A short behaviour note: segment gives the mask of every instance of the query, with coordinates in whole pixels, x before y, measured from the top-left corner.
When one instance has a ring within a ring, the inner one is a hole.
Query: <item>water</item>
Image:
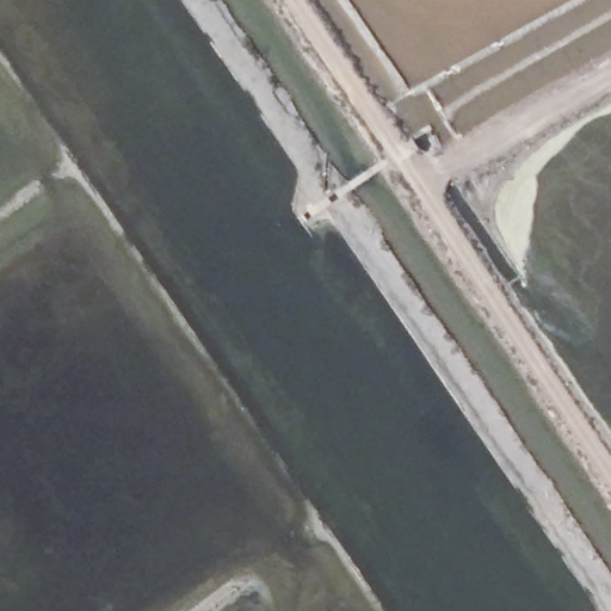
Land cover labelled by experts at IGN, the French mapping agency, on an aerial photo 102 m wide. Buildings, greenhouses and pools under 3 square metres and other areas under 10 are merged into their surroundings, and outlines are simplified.
[[[372,162],[370,150],[348,126],[348,122],[337,112],[322,84],[303,62],[289,36],[274,17],[274,12],[263,0],[217,0],[227,7],[232,21],[243,31],[243,45],[255,60],[263,62],[263,67],[270,74],[270,84],[289,93],[296,110],[296,119],[308,131],[310,143],[327,153],[329,167],[334,167],[348,181],[363,169],[368,169]]]
[[[566,0],[348,0],[406,86],[422,84],[432,74],[482,50],[492,41],[499,41],[501,36],[542,17],[544,12],[563,5]]]
[[[527,286],[520,284],[518,272],[506,260],[506,255],[489,236],[489,232],[480,224],[477,215],[470,210],[458,189],[446,186],[444,191],[444,200],[451,215],[456,217],[458,227],[470,227],[473,236],[468,241],[482,260],[482,265],[487,267],[487,272],[492,277],[499,272],[504,279],[511,282],[523,306],[527,306],[537,315],[544,334],[554,341],[556,351],[580,382],[582,391],[611,425],[611,115],[582,126],[537,174],[530,243],[525,251]]]
[[[356,29],[334,0],[308,0],[379,107],[387,105],[396,91],[389,84],[384,69],[377,64],[375,55],[368,50],[368,45],[356,33]]]
[[[427,103],[427,98],[413,95],[396,107],[396,117],[391,119],[399,134],[406,138],[413,129],[430,126],[439,143],[449,143],[451,138],[446,136],[442,119]]]
[[[468,134],[492,115],[520,103],[523,98],[544,88],[547,84],[582,69],[582,64],[599,60],[611,50],[611,21],[590,31],[575,43],[561,48],[558,53],[535,62],[532,67],[518,72],[508,81],[489,88],[487,93],[477,95],[475,100],[456,110],[451,117],[451,126],[458,134]]]
[[[411,215],[403,210],[403,205],[384,184],[384,179],[377,174],[351,191],[351,203],[370,212],[370,217],[379,227],[384,248],[399,263],[408,286],[420,296],[427,313],[437,317],[437,322],[442,325],[446,339],[453,341],[456,351],[480,377],[487,394],[516,432],[520,446],[530,453],[537,470],[551,482],[554,492],[563,501],[563,508],[575,520],[597,558],[611,573],[611,511],[606,508],[601,494],[590,482],[587,473],[575,461],[570,449],[563,444],[549,418],[535,403],[520,372],[513,368],[501,344],[477,317],[475,308],[463,298],[461,289],[453,284],[453,279],[449,277],[430,243],[422,239],[422,234],[415,229]]]
[[[74,179],[55,177],[55,169],[60,167],[62,146],[69,148],[69,155],[76,162],[76,167],[105,198],[105,203],[110,205],[110,210],[124,229],[122,234],[115,234],[110,229],[103,212]],[[382,601],[384,611],[599,611],[594,606],[592,594],[578,582],[578,578],[566,566],[563,554],[549,542],[544,527],[537,523],[523,492],[508,482],[504,470],[496,465],[482,439],[475,434],[461,408],[453,403],[434,370],[430,368],[430,363],[425,360],[425,356],[420,353],[420,348],[415,346],[415,341],[411,339],[411,334],[406,332],[406,327],[399,322],[379,289],[375,286],[375,282],[370,279],[370,274],[365,272],[365,267],[360,265],[360,260],[344,241],[344,236],[329,224],[306,229],[298,222],[294,212],[294,191],[298,174],[294,162],[270,131],[270,126],[263,122],[263,115],[253,95],[246,88],[241,88],[241,84],[227,69],[227,64],[217,57],[210,36],[198,26],[198,21],[191,17],[181,0],[0,0],[0,208],[7,200],[12,200],[17,191],[26,184],[41,181],[41,191],[0,222],[0,611],[186,611],[191,609],[186,604],[186,597],[198,585],[215,580],[222,587],[227,580],[241,575],[260,578],[267,585],[272,599],[263,601],[258,592],[246,592],[236,597],[232,604],[227,604],[222,611],[372,611],[363,592],[348,575],[348,570],[341,566],[334,549],[306,530],[306,511],[313,506],[317,508],[325,527],[334,532],[334,537],[344,544],[353,563],[360,568],[363,578]],[[150,286],[136,272],[136,265],[129,255],[134,246],[141,251],[148,270],[167,289],[186,322],[193,327],[193,332],[208,348],[205,356],[196,353],[191,341],[172,320],[165,303],[158,298],[158,294],[150,291]]]
[[[504,72],[518,60],[537,53],[539,48],[558,41],[573,29],[611,10],[611,0],[587,0],[580,7],[530,31],[520,41],[496,50],[494,55],[437,84],[432,91],[442,105],[449,105],[451,100],[456,100],[473,86],[482,84],[485,79]]]

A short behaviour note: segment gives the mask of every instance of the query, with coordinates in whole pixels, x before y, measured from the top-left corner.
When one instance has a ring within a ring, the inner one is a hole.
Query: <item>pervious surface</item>
[[[372,611],[384,611],[382,601],[363,578],[360,568],[353,563],[344,544],[334,537],[334,532],[325,527],[317,508],[313,506],[306,511],[306,530],[334,549],[341,566],[348,570],[348,575],[363,592]]]
[[[272,599],[267,585],[260,578],[241,575],[227,580],[222,587],[215,580],[198,585],[186,597],[186,604],[191,609],[186,611],[222,611],[227,604],[232,604],[236,597],[246,592],[258,592],[263,601]]]
[[[134,246],[129,255],[136,265],[136,272],[150,286],[150,291],[158,294],[158,298],[165,303],[172,320],[191,341],[196,353],[205,356],[208,348],[193,332],[193,327],[186,322],[167,289],[148,270],[141,251]]]
[[[60,167],[55,169],[55,177],[74,179],[103,212],[110,229],[115,234],[122,234],[124,229],[110,210],[110,205],[105,203],[105,198],[76,167],[76,162],[69,155],[69,148],[62,146]]]
[[[17,191],[12,200],[7,200],[0,208],[0,222],[41,191],[41,181],[26,184]]]
[[[289,93],[270,84],[270,74],[263,67],[263,62],[255,60],[243,45],[243,31],[232,21],[227,7],[217,0],[181,0],[191,17],[198,21],[198,26],[210,36],[217,57],[227,64],[227,69],[241,84],[241,88],[246,88],[253,95],[263,115],[263,122],[270,126],[270,131],[294,162],[298,174],[294,191],[294,212],[298,222],[306,229],[329,224],[344,236],[344,241],[360,260],[360,265],[365,267],[365,272],[370,274],[370,279],[375,282],[375,286],[379,289],[399,322],[406,327],[406,332],[411,334],[411,339],[415,341],[415,346],[420,348],[420,353],[425,356],[425,360],[430,363],[430,368],[434,370],[453,403],[461,408],[475,434],[482,439],[496,465],[504,470],[508,482],[523,492],[537,523],[544,527],[549,542],[563,554],[566,566],[578,578],[578,582],[592,594],[594,606],[599,611],[611,611],[611,573],[597,558],[575,520],[563,508],[563,501],[554,492],[551,482],[537,470],[530,453],[520,446],[516,432],[487,394],[480,377],[456,351],[453,341],[446,339],[442,325],[437,322],[437,317],[427,313],[420,296],[408,286],[399,263],[384,248],[379,227],[370,217],[370,212],[351,203],[351,191],[377,174],[384,179],[384,184],[403,205],[403,210],[411,215],[415,229],[422,234],[422,239],[430,243],[449,277],[453,279],[453,284],[461,289],[463,298],[475,308],[477,317],[501,344],[513,368],[520,372],[535,403],[549,418],[563,444],[570,449],[575,461],[587,473],[590,482],[601,494],[606,508],[611,511],[611,425],[582,391],[580,382],[556,351],[554,341],[544,334],[537,315],[527,306],[523,306],[511,282],[504,279],[499,272],[492,277],[487,272],[487,267],[482,265],[482,260],[468,241],[473,236],[470,227],[458,227],[456,217],[451,215],[444,200],[444,191],[446,186],[458,189],[470,210],[477,215],[480,224],[489,232],[489,236],[506,255],[506,260],[518,272],[520,284],[527,286],[525,251],[530,243],[537,174],[582,126],[611,115],[611,50],[599,60],[582,64],[582,69],[547,84],[544,88],[523,98],[520,103],[492,115],[468,134],[458,134],[451,126],[451,117],[456,110],[475,100],[477,95],[487,93],[489,88],[508,81],[518,72],[532,67],[535,62],[558,53],[561,48],[575,43],[590,31],[611,21],[611,10],[573,29],[558,41],[539,48],[537,53],[518,60],[504,72],[485,79],[482,84],[473,86],[456,100],[451,100],[449,105],[442,105],[432,91],[437,84],[494,55],[496,50],[520,41],[530,31],[580,7],[587,0],[566,0],[563,5],[544,12],[542,17],[501,36],[499,41],[492,41],[482,50],[432,74],[422,84],[406,86],[348,0],[334,0],[356,29],[356,33],[368,45],[368,50],[375,55],[377,64],[384,69],[389,84],[396,91],[387,105],[379,107],[308,0],[263,0],[274,12],[274,17],[289,36],[294,29],[301,29],[310,38],[313,48],[322,55],[325,64],[344,86],[348,100],[363,112],[363,117],[382,141],[387,155],[384,160],[372,162],[368,169],[363,169],[348,181],[334,167],[329,167],[327,153],[310,143],[308,131],[296,119],[296,110]],[[449,143],[439,143],[430,126],[413,129],[406,138],[399,134],[391,119],[396,117],[396,107],[413,95],[427,98],[427,103],[442,119],[446,136],[451,138]]]

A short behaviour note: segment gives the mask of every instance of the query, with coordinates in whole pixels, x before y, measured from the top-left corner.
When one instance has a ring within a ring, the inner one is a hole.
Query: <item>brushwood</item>
[[[289,36],[303,62],[322,84],[337,112],[348,122],[348,126],[370,150],[372,162],[384,160],[387,155],[382,141],[363,117],[363,112],[348,100],[344,86],[325,64],[322,55],[313,48],[310,38],[301,29],[294,29]]]

